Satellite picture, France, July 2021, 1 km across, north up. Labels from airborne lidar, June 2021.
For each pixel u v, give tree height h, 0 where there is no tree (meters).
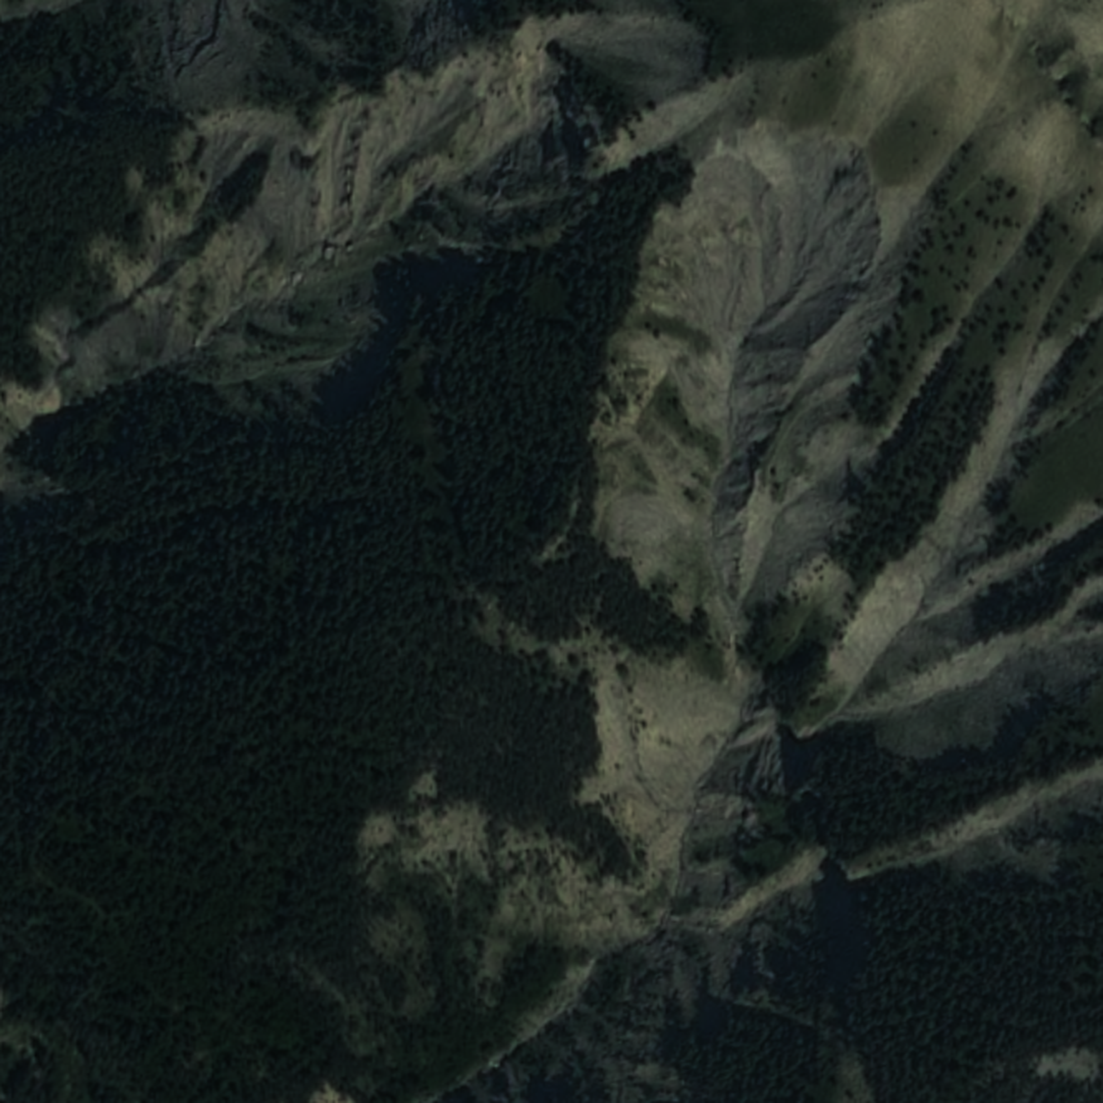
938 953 18
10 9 6
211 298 0
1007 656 0
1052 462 0
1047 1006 15
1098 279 0
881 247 0
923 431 10
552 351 23
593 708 13
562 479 19
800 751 0
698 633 15
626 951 0
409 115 0
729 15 0
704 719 0
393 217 0
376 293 0
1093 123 0
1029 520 0
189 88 0
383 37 9
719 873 0
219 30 0
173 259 0
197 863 29
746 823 0
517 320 24
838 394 0
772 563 0
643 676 0
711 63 6
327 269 0
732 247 0
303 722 8
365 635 24
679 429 0
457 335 23
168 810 8
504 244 12
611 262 18
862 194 0
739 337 0
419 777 10
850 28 0
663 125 0
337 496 28
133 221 15
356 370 0
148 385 8
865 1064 7
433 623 19
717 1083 17
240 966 12
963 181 0
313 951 23
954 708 0
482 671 15
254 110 0
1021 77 0
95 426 23
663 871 0
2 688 26
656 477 0
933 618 0
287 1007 12
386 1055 12
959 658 0
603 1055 0
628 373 8
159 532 33
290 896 12
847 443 0
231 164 0
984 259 0
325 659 18
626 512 0
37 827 25
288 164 0
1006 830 0
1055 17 0
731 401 0
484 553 19
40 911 25
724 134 0
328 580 22
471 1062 8
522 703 20
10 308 22
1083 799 0
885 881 8
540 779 19
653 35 0
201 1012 10
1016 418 0
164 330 0
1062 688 0
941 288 0
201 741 29
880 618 0
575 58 10
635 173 9
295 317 7
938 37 0
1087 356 11
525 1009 6
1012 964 19
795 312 0
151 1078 10
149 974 6
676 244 0
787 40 0
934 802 19
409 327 16
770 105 0
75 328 0
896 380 13
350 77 9
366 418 30
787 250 0
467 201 0
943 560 0
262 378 0
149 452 17
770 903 0
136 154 16
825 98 0
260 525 28
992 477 0
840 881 0
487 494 27
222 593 26
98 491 16
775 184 0
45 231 21
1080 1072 0
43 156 21
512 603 15
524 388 25
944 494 9
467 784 16
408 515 27
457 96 0
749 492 0
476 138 0
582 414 21
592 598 11
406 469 24
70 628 36
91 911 9
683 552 0
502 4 8
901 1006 9
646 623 14
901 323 11
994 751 0
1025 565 0
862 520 10
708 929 0
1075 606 0
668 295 0
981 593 0
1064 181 0
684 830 0
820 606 0
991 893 15
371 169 0
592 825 18
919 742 0
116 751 28
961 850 0
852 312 0
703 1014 0
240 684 29
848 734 7
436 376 22
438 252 0
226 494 27
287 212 0
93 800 16
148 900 16
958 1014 16
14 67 19
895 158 0
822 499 0
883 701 0
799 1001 18
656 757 0
